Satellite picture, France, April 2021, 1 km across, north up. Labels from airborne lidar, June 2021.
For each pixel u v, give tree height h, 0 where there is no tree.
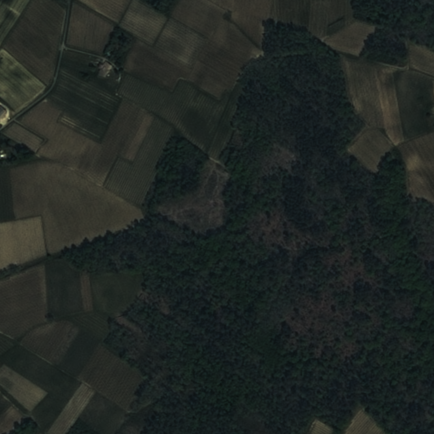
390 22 21
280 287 16
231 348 18
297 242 11
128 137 0
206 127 0
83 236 0
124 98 0
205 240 21
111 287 0
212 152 0
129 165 0
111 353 0
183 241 8
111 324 17
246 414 16
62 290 0
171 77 0
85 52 0
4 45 0
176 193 21
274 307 19
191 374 22
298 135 18
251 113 19
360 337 18
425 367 16
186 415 18
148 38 0
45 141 0
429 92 0
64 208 0
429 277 21
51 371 0
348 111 21
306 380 25
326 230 26
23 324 0
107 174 0
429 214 19
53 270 0
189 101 0
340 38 0
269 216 19
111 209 0
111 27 0
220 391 19
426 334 23
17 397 0
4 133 0
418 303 23
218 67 0
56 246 0
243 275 21
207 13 0
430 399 11
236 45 0
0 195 0
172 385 18
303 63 10
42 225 0
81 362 0
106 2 0
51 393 0
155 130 0
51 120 0
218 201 0
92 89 0
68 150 0
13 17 0
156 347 26
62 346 0
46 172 0
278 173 7
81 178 0
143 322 15
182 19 0
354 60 0
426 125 0
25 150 21
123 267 17
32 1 0
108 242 18
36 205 0
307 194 26
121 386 0
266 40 18
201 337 16
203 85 0
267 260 10
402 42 11
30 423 15
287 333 15
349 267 8
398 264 22
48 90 0
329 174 26
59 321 0
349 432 0
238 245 13
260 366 8
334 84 19
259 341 15
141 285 0
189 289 16
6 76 0
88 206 0
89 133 0
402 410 23
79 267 20
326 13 0
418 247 27
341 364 7
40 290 0
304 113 18
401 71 0
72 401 0
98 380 0
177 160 13
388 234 21
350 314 8
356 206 15
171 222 19
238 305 16
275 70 12
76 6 0
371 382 26
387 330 17
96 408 0
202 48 0
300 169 22
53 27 0
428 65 0
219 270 22
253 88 22
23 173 0
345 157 18
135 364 13
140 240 25
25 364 0
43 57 0
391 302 30
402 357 22
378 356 20
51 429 0
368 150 0
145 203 8
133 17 0
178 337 15
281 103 19
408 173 16
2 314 0
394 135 0
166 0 13
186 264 24
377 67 0
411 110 0
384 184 21
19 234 0
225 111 0
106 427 0
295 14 0
